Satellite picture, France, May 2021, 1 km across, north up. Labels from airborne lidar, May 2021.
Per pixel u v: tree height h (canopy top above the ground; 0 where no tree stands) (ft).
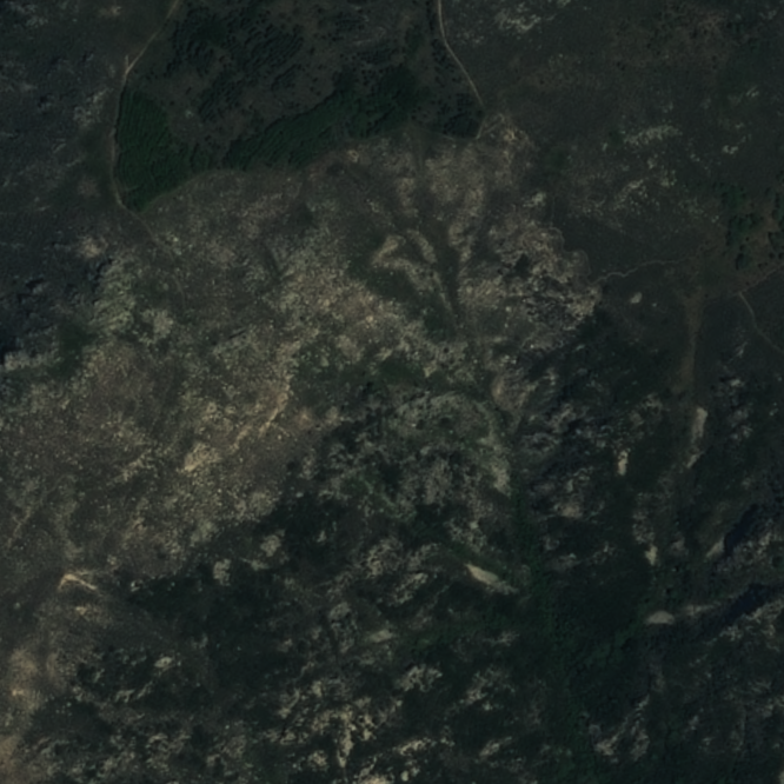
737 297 0
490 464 0
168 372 0
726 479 19
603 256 0
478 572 0
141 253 0
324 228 0
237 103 34
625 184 0
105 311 0
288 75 31
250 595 19
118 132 31
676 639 20
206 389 0
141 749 26
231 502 0
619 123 0
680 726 25
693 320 0
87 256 0
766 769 24
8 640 0
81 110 0
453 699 17
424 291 33
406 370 0
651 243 0
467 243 0
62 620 0
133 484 0
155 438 0
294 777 21
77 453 0
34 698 0
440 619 32
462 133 35
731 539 0
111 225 0
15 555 0
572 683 21
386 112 31
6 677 0
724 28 24
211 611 24
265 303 0
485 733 22
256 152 39
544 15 0
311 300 0
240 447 0
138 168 42
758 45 29
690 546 27
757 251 0
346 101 66
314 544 20
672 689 19
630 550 20
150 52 0
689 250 0
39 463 0
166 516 0
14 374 0
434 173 0
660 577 27
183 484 0
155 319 0
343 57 29
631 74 0
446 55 23
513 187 0
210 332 0
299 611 18
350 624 22
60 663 0
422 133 0
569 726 25
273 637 17
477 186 0
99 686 18
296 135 49
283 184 0
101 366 0
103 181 0
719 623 18
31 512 0
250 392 0
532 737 20
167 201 0
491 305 0
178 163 44
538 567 31
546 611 36
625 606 24
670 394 23
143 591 20
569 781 32
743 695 21
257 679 18
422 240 0
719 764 20
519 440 18
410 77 27
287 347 0
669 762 33
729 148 0
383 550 40
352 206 0
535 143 0
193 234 0
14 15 39
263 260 0
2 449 0
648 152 0
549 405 0
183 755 23
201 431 0
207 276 0
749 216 27
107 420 0
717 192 32
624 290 0
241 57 36
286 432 0
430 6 30
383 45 23
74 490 0
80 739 19
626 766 18
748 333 0
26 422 0
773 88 0
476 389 23
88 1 0
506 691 17
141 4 0
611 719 20
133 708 17
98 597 0
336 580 31
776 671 26
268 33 38
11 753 0
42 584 0
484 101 0
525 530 20
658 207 0
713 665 29
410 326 0
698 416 0
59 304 0
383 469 20
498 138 0
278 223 0
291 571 21
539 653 24
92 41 0
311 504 19
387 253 0
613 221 0
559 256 0
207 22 32
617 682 28
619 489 19
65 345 0
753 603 24
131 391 0
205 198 0
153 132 34
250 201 0
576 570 27
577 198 0
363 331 0
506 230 0
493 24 0
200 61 47
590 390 17
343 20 30
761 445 23
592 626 20
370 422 19
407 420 0
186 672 22
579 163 0
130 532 0
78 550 0
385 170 0
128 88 29
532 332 0
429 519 22
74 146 0
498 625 25
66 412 0
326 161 0
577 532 18
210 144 22
